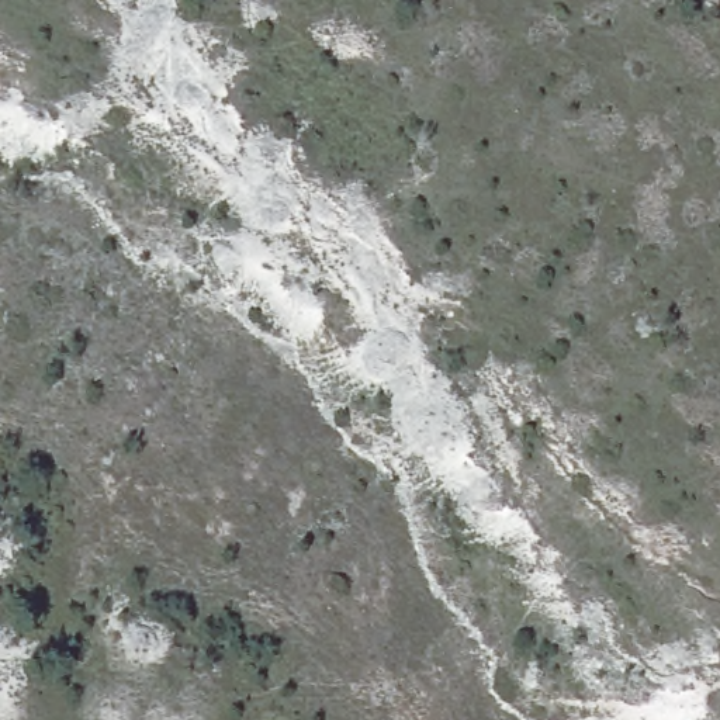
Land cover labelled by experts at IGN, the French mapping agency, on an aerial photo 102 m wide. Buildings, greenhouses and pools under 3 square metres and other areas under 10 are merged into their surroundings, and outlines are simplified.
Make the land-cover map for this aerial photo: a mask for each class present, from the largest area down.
<instances>
[{"label":"herbaceous vegetation","instance_id":"1","mask_svg":"<svg viewBox=\"0 0 720 720\"><path fill-rule=\"evenodd\" d=\"M113 0H0V104L8 101V90L23 93V110H28L37 98L59 101L62 96L87 93L93 82H101L110 70L113 51L121 42V17L110 11ZM180 20L200 23L208 34L219 37L205 56L208 62L222 59L231 48L245 51V70L236 73L233 82L225 87V104L236 107L245 129L270 127L276 138H290L293 166L307 180L321 177L323 188H338L352 180L363 183V194L374 205L388 239L399 248L405 270L413 284H419L430 273H467L473 278L470 295L444 293V298L461 301L453 318H444L439 309H433V315L422 321L419 338L425 343L430 366L450 377L453 371L484 368L487 360H498L503 366L532 363L534 374L546 377L543 383L532 385L534 397H554L565 402L571 413L599 416V425L591 430V439L585 444V458L605 478L638 487L641 506L630 512L644 526L675 523L686 534L689 551H683L678 563L655 565L633 551L636 537L619 515L585 523L574 518L568 523V543L557 554V577L574 610H582L585 602H602V610L613 619L616 641L630 655L647 653L655 644L683 641L686 636H700L706 630L720 627V0H174ZM132 113L124 107L107 110L104 121L98 124V132L84 135V141L93 149H101L98 158H84L82 163H73L70 143H59L51 155L39 160H3L0 155V627L14 630V647L20 641L37 644L34 655L25 658L28 692L25 700L17 706V720H84V698L68 689L62 675H73L76 683H84V692L90 686H129V698L135 700L129 720H146V712L155 706H166L174 714H203L205 720H515L492 703L481 672L458 669L453 664L456 653L450 650L442 633L453 622V613L430 593L416 563L408 520L397 498L399 478L377 473L371 461L343 450L340 436L318 413L307 380L293 366H287L267 343L248 335L233 315L211 309L205 304L186 307L174 290H158V278L152 276V270L135 267L132 259L124 256L121 245L110 253L104 250V239L110 236L107 228L96 219V214L87 205L76 200V194H65L53 183H39V172H70L82 177L93 194L107 197V208L113 211L115 222L121 217L141 219V208L163 205L169 208L166 217H149L146 225L169 228L177 219H186L188 228L203 222L222 225L225 231L236 233L242 228L239 214L231 211L228 203L208 205L188 194H177L174 183L186 174V166L174 160V155L166 146H132ZM73 332L87 335L84 357H68L65 363L53 360L59 343L70 340ZM28 503H31V506H37V509L42 512V520H45V526H48V534H45V537H34V534L28 532V526H25V506H28ZM39 585L48 591L51 599L45 616L31 613L28 605L20 599L23 588ZM124 593L129 596V605L121 610V622L155 619L169 630V653L155 664L129 661V669H113L107 661L101 627L107 624L113 602ZM312 295L323 309V326L338 338L340 346H354L363 338V329L352 315L349 301L326 281H315ZM363 413L377 433L385 436L394 430L391 394L380 385H368L346 408L335 413V419L346 428L354 416ZM498 419L503 425L506 439L512 442V447L520 450L526 461H534L540 453H546L548 439L537 419L512 425L506 408H498ZM442 523L450 529L453 554H444V560L433 568L439 585L453 596L456 605H461L473 616L487 644L495 647L498 655L515 653L523 655L529 664L537 661V669L551 681L546 698L565 695L585 700V683L577 678L571 667L574 655L554 641V619L548 613L526 610V599L534 591L512 577V565L518 563V557L492 543H470L464 537L467 520L458 518L456 501L447 498L442 509ZM495 686L512 703L523 686L503 667H498Z\"/></svg>","mask_w":720,"mask_h":720},{"label":"bare soil","instance_id":"2","mask_svg":"<svg viewBox=\"0 0 720 720\"><path fill-rule=\"evenodd\" d=\"M110 11L121 17V42L113 51L110 70L101 82H93L87 93L62 96L59 101L37 98L28 110H23V93L8 90V101L0 104V155L3 160H39L51 155L59 143H70L73 163H82L84 158H98L101 149H93L84 141V135L98 132V124L104 121L107 110L124 107L132 113V146H166L174 155V160L186 166V174L174 183L177 194H188L208 205L228 203L231 211L239 214L242 228L236 233L225 231L222 225L203 222L188 228L186 219H177L169 228L146 225L149 217H166L169 208L163 205L141 208V219L121 217L115 222L113 211L107 208V197L93 194L82 177L70 172H39V183H53L65 194H76V200L87 205L96 214V219L107 228L110 236L104 239V250L110 253L121 245L124 256L132 259L135 267L152 270V276L158 278V290H174L186 307L205 304L211 309L233 315L248 335L267 343L287 366H293L307 380L318 413L340 436L343 450L371 461L377 473L399 478L397 498L408 520L416 563L430 593L453 613V622L442 633L450 650L456 653L453 664L458 669L481 672L492 703L515 720H720V627L706 630L700 636H686L683 641L655 644L647 653L630 655L616 641L613 619L602 610V602H585L582 610H574L557 577V554L568 543V523L574 518L585 523L619 515L636 537L633 551L655 565L678 563L683 551H689L686 534L675 523L644 526L630 512L641 506L638 487L605 478L585 458V444L591 439V430L599 425V416L571 413L565 402L554 397H534L532 385L543 383L546 377L534 374L532 363L503 366L498 360H487L484 368L453 371L450 377L430 366L425 343L419 338L422 321L433 315V309H439L444 318H453L461 301L444 298V293L470 295L473 278L467 273H430L419 284H413L405 270L399 248L388 239L374 205L363 194V183L352 180L338 188H323L321 177L307 180L293 166L290 138H276L270 127L245 129L236 107L225 104V87L233 82L236 73L245 70V51L231 48L222 59L208 62L205 56L219 37L208 34L200 23L180 20L174 0H113ZM315 281H326L349 301L352 315L363 329V338L354 346H340L338 338L323 326V309L312 295ZM368 385H380L391 394L394 430L385 436L377 433L363 413L354 416L346 428L335 419V413L346 408ZM498 408H506L512 425L537 419L548 439L546 453H540L534 461H526L520 450L512 447V442L506 439L503 425L498 419ZM447 498L456 501L458 518L467 520L464 537L470 543H492L518 557V563L512 565V577L534 591L526 599V610L548 613L554 619V641L574 655L571 667L577 678L585 683V700L565 695L546 698L551 681L537 669V661L529 664L523 655L515 653L498 655L495 647L487 644L473 616L461 605H456L453 596L439 585L433 568L444 560V554H453L450 529L442 523V509ZM498 667H503L523 686L512 703L495 686ZM25 526H28V532L34 534V537H45V534H48V526H45V520H42V512L37 509V506H31V503H28V506H25ZM20 599L28 605L31 613L45 616L51 599L48 591L39 585L23 588ZM129 605V596L124 593L113 602L107 624L101 627L107 661L113 669H129V661L155 664L169 653V630L155 619L121 622V610ZM14 630L0 627V720H17V706L25 700L28 692L25 658L34 655L37 644L20 641L14 647ZM68 689L84 698V720H129L135 700L129 698V686H90L84 692V683H76L73 675H62ZM146 720H205L203 714H174L166 706H155L146 712Z\"/></svg>","mask_w":720,"mask_h":720},{"label":"brushwood","instance_id":"3","mask_svg":"<svg viewBox=\"0 0 720 720\"><path fill-rule=\"evenodd\" d=\"M87 335L73 332L70 340L59 343L53 360L65 363L68 357H84Z\"/></svg>","mask_w":720,"mask_h":720}]
</instances>
